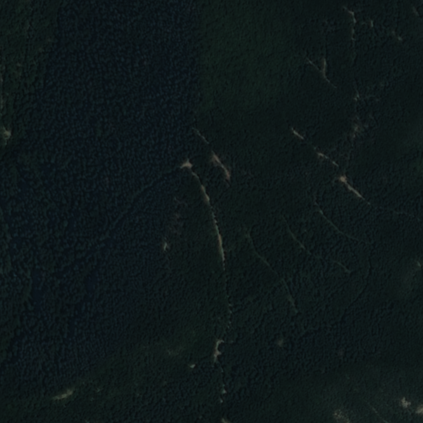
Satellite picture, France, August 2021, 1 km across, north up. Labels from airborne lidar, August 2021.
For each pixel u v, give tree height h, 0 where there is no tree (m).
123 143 11
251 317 26
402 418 10
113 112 19
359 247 26
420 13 18
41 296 21
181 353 12
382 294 21
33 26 26
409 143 12
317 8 27
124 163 18
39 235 26
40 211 33
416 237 21
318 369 20
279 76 10
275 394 17
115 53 23
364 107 20
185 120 24
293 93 17
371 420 13
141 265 22
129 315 18
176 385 25
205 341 21
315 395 16
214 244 13
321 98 21
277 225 20
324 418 13
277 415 20
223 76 15
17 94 11
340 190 24
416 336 19
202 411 21
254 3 14
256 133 21
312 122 20
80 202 22
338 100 26
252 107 15
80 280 24
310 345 27
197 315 10
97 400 15
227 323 12
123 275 23
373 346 17
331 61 25
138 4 30
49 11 34
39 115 32
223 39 10
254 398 17
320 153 21
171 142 19
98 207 23
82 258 31
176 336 16
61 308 27
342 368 17
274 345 28
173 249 15
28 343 16
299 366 21
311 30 25
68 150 32
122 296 19
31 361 27
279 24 10
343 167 19
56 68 34
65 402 12
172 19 26
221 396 5
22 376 30
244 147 20
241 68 10
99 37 30
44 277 30
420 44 18
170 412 30
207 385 18
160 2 16
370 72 22
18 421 22
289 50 12
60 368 21
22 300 32
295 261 12
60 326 36
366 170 24
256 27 13
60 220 14
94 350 20
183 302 26
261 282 17
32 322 33
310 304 17
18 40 19
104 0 23
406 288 14
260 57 13
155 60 18
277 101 10
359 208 27
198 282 21
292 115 20
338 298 23
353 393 16
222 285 14
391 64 23
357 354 22
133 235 21
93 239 23
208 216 22
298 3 22
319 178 18
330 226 20
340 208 21
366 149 21
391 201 20
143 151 22
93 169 16
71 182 18
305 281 20
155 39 13
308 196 12
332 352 24
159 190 17
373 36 17
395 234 20
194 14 19
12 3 16
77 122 20
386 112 21
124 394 12
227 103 16
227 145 26
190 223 23
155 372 11
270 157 15
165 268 22
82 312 25
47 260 32
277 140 18
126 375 10
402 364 20
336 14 29
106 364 16
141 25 16
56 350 23
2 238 31
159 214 18
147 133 19
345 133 25
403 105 20
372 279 21
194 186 28
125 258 19
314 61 22
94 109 21
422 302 19
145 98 21
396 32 10
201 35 10
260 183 23
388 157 22
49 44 29
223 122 22
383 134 20
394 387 14
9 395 23
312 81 24
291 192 25
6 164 14
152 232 21
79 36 37
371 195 24
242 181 20
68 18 26
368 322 22
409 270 15
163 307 30
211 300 19
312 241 14
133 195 22
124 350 14
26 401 9
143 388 18
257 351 24
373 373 13
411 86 21
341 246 18
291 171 21
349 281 20
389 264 21
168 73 14
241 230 20
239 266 11
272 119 18
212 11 12
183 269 20
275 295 22
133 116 21
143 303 16
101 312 27
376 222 22
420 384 16
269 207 18
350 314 30
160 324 19
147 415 21
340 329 24
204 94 10
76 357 26
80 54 18
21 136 34
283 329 24
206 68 13
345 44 26
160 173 22
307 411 19
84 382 8
